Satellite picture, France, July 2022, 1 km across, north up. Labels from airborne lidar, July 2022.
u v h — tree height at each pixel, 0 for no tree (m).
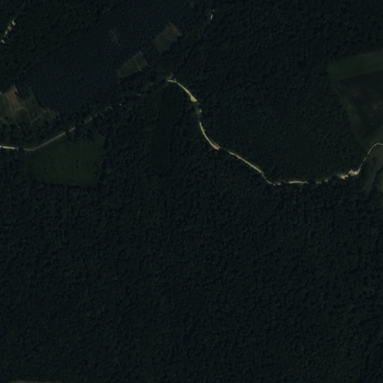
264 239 26
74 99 24
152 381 23
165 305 21
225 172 24
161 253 27
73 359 23
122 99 22
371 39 25
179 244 21
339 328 23
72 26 31
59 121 11
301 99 20
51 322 27
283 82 22
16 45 34
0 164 21
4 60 32
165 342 21
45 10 25
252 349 19
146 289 23
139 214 24
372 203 24
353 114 0
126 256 27
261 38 29
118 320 30
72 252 25
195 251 25
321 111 22
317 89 25
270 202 31
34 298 25
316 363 17
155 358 22
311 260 20
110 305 30
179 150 23
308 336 22
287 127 15
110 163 21
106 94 21
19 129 21
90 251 27
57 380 13
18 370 22
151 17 22
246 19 27
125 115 30
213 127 24
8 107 0
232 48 29
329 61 25
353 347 29
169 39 0
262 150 21
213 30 21
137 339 25
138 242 22
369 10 26
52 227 30
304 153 15
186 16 24
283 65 28
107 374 28
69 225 25
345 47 26
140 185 23
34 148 0
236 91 31
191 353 29
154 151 12
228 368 10
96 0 35
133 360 8
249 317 21
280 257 24
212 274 22
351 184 27
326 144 21
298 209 32
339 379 16
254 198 25
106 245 21
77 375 21
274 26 20
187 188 25
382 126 0
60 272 31
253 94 30
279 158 20
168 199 29
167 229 26
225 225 25
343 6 28
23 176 26
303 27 28
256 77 30
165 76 24
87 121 22
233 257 23
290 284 21
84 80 26
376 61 0
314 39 32
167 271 24
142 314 26
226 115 21
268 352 23
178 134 25
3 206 31
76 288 26
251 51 29
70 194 22
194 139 27
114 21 24
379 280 20
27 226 25
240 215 21
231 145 32
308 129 12
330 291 24
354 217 27
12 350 23
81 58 25
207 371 21
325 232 29
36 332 27
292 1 27
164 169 13
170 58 22
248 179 29
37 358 26
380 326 30
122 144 21
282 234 25
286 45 29
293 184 8
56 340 26
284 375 22
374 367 18
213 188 27
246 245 28
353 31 28
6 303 27
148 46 26
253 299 22
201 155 23
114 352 30
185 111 14
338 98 24
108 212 26
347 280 27
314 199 36
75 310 21
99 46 24
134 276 30
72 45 22
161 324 22
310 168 19
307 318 21
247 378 21
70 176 0
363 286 9
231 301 26
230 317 24
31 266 29
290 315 24
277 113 20
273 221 20
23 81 23
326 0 30
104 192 28
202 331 28
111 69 25
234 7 22
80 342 26
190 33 21
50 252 23
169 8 21
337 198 24
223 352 24
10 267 29
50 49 27
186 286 22
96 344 29
